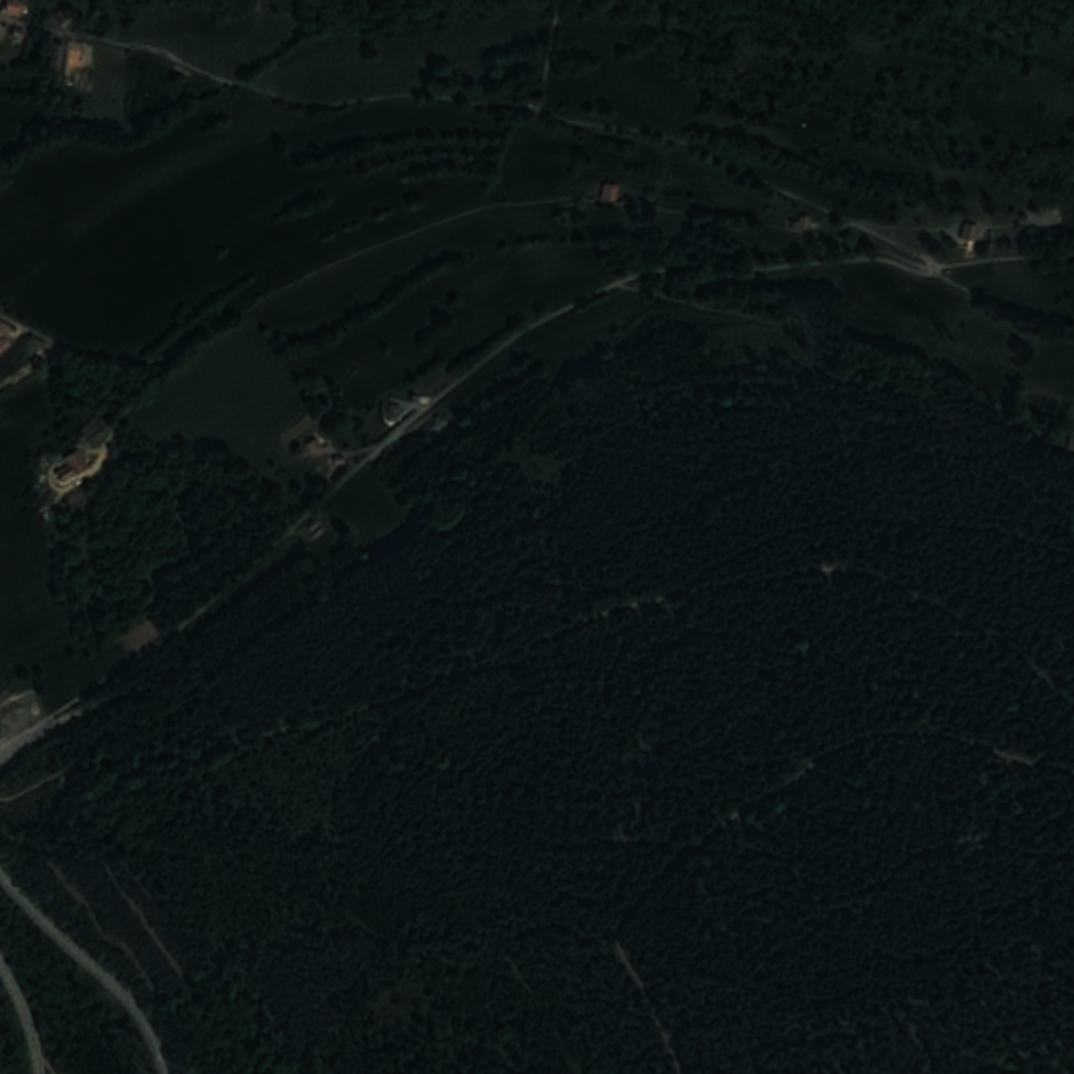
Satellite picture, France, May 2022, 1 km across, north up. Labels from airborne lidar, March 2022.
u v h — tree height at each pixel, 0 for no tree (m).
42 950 9
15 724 0
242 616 16
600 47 0
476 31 0
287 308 0
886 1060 30
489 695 12
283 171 0
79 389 16
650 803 16
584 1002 26
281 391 0
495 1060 14
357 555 9
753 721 21
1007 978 33
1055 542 13
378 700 17
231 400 0
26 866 20
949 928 8
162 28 0
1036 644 23
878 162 0
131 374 18
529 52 24
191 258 0
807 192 0
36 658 0
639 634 13
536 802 22
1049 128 0
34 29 11
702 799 17
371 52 14
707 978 31
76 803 15
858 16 20
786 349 0
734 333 0
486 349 8
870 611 25
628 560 28
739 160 8
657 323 6
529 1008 13
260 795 6
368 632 23
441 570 22
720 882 16
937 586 29
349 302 0
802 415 31
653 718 25
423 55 0
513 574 17
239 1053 18
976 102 0
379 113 0
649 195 7
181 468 17
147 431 0
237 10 0
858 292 0
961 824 19
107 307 0
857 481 30
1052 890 22
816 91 21
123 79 0
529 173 0
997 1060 8
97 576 17
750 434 30
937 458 27
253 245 0
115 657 0
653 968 17
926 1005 29
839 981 24
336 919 10
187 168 0
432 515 23
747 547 23
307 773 7
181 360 16
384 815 16
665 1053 28
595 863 22
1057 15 23
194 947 11
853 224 0
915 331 0
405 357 0
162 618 23
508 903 12
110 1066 9
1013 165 15
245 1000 17
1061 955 14
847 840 23
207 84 0
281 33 0
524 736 12
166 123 17
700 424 31
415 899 16
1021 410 23
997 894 11
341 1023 8
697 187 0
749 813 18
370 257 0
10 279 0
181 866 10
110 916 22
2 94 10
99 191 0
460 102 17
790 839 26
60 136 16
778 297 18
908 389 29
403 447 8
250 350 0
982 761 19
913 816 13
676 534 29
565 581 22
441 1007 8
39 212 0
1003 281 0
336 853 9
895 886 18
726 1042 31
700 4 30
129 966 19
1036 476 29
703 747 6
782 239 0
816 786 15
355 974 9
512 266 0
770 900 12
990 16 23
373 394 0
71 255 0
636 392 22
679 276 21
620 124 0
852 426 29
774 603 26
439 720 12
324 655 22
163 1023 20
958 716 22
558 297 0
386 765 15
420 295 0
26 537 0
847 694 19
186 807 13
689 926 20
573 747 14
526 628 24
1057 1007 31
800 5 26
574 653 10
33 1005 8
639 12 24
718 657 24
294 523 12
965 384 31
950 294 0
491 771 12
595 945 28
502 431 16
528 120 19
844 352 30
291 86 0
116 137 26
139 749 15
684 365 12
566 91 0
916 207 16
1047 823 22
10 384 0
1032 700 25
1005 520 32
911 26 19
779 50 18
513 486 14
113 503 17
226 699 23
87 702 10
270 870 8
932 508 30
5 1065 11
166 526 22
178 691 16
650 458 15
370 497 0
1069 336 22
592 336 0
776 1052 33
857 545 25
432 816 13
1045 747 25
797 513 25
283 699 23
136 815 23
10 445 0
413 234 0
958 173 14
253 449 0
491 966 18
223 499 22
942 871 13
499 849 19
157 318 0
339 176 0
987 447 29
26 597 0
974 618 24
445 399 0
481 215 0
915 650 20
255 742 15
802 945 25
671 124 0
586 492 17
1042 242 21
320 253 0
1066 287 0
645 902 23
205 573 27
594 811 16
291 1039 20
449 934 19
